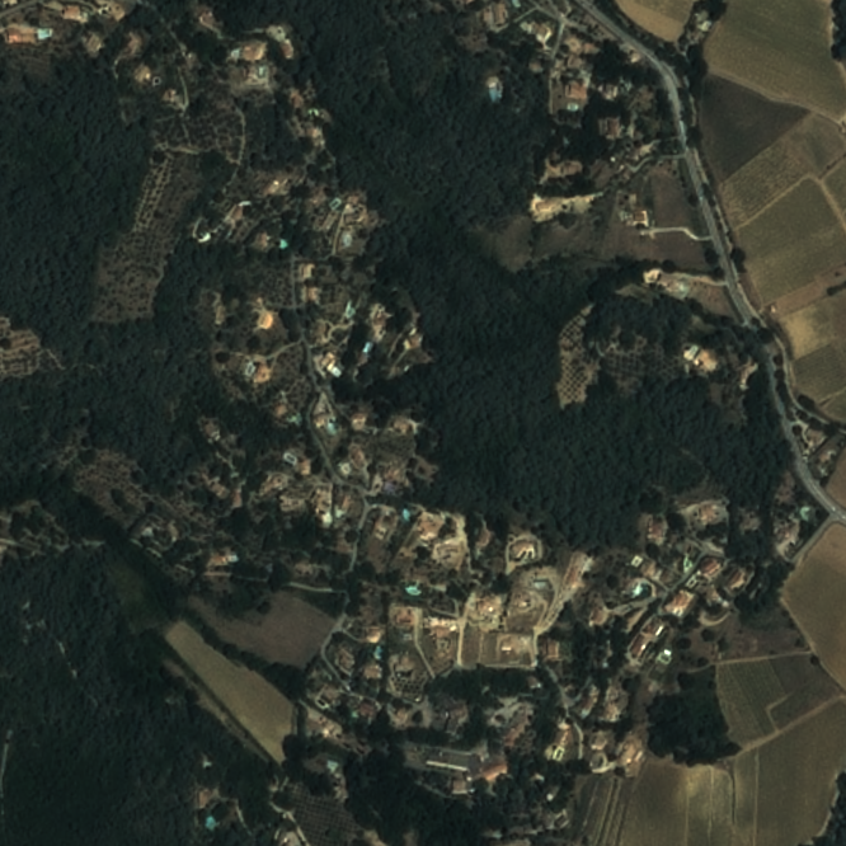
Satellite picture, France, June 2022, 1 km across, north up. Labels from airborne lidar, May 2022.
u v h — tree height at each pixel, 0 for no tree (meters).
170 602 19
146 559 9
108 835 11
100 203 18
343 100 26
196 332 18
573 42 0
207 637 13
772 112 0
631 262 7
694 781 0
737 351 9
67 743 9
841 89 0
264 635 0
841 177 0
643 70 6
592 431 15
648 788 0
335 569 11
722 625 0
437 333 24
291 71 19
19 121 16
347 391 17
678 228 0
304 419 7
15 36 0
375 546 0
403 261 22
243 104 14
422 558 10
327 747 8
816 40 0
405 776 12
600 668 19
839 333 0
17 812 9
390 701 9
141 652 14
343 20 21
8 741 7
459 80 17
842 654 0
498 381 21
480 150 7
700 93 9
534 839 14
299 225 10
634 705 8
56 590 19
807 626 0
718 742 14
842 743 0
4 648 13
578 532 20
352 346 14
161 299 14
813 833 0
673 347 17
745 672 0
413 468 9
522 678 15
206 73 13
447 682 12
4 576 6
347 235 0
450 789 10
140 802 9
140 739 17
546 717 17
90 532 17
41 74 0
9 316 18
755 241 0
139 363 17
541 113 16
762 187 0
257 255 13
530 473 18
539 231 8
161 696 16
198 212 15
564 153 9
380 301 13
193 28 22
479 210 26
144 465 17
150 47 6
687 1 0
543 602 0
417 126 14
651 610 8
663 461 16
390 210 20
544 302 12
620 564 6
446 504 18
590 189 11
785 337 0
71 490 13
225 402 8
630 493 10
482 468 17
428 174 13
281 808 11
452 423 19
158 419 18
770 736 0
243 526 17
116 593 14
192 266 11
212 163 12
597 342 5
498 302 17
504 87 16
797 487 7
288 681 14
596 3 5
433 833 19
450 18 19
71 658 12
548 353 22
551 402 19
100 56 6
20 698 12
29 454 24
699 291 0
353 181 21
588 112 14
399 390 22
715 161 0
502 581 17
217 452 8
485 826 7
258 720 0
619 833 0
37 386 8
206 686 0
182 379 19
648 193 0
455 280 19
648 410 11
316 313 10
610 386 10
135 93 9
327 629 0
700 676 0
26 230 21
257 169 15
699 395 23
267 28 8
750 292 0
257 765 8
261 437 16
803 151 0
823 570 0
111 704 19
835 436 10
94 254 15
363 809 18
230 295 16
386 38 10
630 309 19
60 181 21
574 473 10
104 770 11
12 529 8
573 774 7
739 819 0
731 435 18
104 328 16
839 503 0
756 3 0
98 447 19
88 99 18
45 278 21
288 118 17
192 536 7
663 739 20
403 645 0
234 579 11
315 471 10
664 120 9
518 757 11
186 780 15
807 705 0
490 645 0
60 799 7
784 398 9
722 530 11
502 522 17
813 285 0
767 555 23
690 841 0
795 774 0
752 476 15
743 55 0
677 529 14
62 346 22
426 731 11
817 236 0
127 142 23
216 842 12
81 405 19
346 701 6
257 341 11
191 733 17
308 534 13
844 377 0
